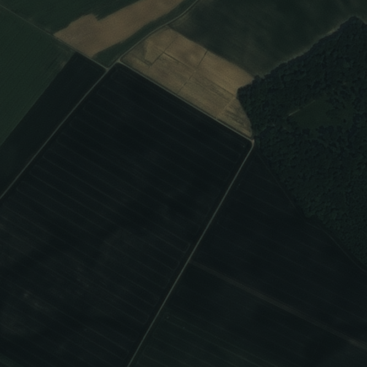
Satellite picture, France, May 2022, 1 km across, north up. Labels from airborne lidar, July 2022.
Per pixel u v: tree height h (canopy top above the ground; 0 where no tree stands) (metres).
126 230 0
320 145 27
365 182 24
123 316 0
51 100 0
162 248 0
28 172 0
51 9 0
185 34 0
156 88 0
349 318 0
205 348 0
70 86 0
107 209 0
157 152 0
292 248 0
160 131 0
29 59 0
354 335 0
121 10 0
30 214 0
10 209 0
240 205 0
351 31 28
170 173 0
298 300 0
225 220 0
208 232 0
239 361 0
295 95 29
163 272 0
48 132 0
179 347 0
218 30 0
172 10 0
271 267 0
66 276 0
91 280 0
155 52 0
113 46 0
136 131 0
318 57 26
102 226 0
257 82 18
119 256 0
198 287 0
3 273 0
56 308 0
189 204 0
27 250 0
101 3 0
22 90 0
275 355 0
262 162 0
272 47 0
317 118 0
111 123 0
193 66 0
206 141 0
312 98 26
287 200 0
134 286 0
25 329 0
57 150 0
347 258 0
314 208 26
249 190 0
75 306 0
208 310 0
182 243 0
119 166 0
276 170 20
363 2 0
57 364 0
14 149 0
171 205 0
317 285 0
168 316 0
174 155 0
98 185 0
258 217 0
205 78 0
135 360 0
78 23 0
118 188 0
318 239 0
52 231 0
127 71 0
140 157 0
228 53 0
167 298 0
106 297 0
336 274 0
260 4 0
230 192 0
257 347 0
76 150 0
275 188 0
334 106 26
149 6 0
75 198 0
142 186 0
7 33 0
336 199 31
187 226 0
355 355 0
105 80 0
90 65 0
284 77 27
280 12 0
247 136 0
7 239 0
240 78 0
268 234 0
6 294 0
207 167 0
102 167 0
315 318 0
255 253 0
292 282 0
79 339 0
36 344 0
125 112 0
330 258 0
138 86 0
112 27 0
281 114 29
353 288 0
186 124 0
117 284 0
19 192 0
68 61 0
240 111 0
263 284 0
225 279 0
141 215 0
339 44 29
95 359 0
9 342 0
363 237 19
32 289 0
